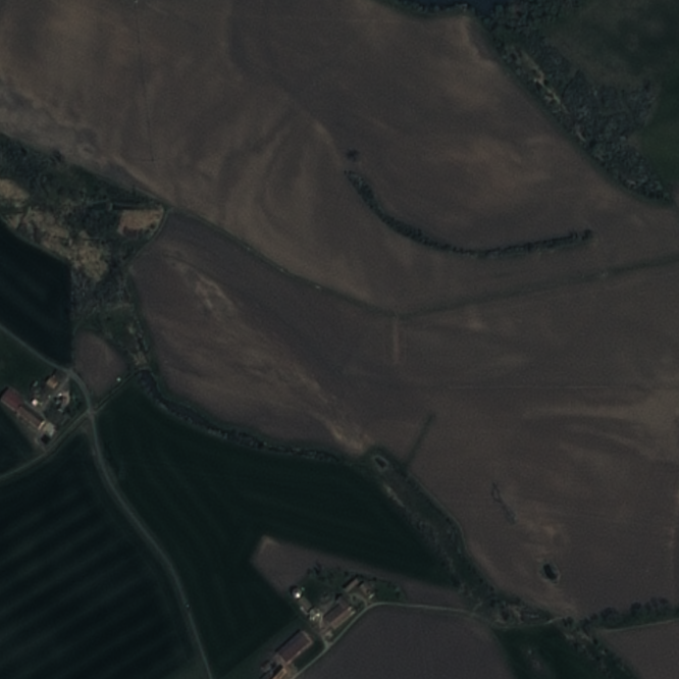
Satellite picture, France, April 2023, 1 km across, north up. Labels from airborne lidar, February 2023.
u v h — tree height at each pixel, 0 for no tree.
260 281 0
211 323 0
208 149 0
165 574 0
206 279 0
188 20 0
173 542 0
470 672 0
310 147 0
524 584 0
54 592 0
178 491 0
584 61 0
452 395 0
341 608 0
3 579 0
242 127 0
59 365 0
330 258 0
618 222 0
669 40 0
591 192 0
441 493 0
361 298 0
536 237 0
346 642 0
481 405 0
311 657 0
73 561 0
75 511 0
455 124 0
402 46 0
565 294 0
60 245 0
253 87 0
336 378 0
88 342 0
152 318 0
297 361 0
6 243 0
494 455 0
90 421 0
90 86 0
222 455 0
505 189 0
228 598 0
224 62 0
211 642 0
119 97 0
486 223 0
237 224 0
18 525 0
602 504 0
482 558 0
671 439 0
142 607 0
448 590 0
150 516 0
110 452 0
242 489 0
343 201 0
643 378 0
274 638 0
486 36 0
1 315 0
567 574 0
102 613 0
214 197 0
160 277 0
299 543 0
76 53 0
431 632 0
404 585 0
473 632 0
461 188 0
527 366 0
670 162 0
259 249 0
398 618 0
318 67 0
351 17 0
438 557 10
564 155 0
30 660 0
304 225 0
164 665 0
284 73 0
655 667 0
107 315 0
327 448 0
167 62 0
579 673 0
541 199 0
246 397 0
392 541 0
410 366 0
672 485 0
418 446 0
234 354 0
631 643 0
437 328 0
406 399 0
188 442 0
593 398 0
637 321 0
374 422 0
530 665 0
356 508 0
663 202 9
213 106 0
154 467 0
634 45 0
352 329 0
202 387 0
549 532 0
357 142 0
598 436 0
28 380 0
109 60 0
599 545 0
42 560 0
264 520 0
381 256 0
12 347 0
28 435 0
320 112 0
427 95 0
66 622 0
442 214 0
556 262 0
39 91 0
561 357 0
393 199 0
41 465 0
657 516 0
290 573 0
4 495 0
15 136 0
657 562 0
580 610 0
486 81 0
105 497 0
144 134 0
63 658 0
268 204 0
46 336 0
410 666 0
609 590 0
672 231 0
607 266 0
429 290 0
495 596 11
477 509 0
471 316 0
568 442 0
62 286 0
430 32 0
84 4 0
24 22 0
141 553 0
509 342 0
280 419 0
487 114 0
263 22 0
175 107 0
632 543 0
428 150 0
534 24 20
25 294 0
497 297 0
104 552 0
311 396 0
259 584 0
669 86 0
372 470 0
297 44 0
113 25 0
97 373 0
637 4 0
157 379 0
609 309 0
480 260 0
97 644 0
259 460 0
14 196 0
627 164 6
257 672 0
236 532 0
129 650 0
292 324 0
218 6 0
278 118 0
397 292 0
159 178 0
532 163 0
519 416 0
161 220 0
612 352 0
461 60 0
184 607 0
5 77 0
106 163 0
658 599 0
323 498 0
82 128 0
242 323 0
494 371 0
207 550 0
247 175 0
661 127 0
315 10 0
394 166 0
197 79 0
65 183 0
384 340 0
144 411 0
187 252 0
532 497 0
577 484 0
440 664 0
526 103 0
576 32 0
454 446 0
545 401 0
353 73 0
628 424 0
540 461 0
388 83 0
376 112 0
